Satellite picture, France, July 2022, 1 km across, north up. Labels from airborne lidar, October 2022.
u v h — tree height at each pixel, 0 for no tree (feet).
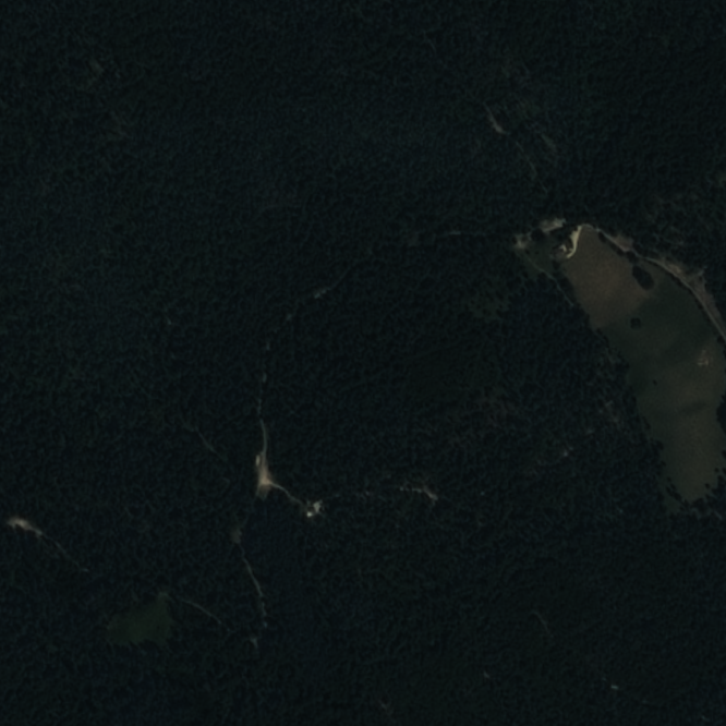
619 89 50
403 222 62
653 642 93
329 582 64
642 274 74
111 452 68
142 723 99
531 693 52
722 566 74
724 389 0
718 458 0
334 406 28
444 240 57
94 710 103
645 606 76
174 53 47
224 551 84
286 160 68
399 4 48
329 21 86
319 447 66
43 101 79
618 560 76
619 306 0
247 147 56
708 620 62
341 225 61
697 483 0
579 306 24
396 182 74
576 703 63
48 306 52
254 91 64
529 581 71
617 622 72
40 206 50
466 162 69
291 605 78
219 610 30
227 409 53
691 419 0
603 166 53
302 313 46
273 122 59
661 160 64
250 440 31
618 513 86
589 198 29
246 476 30
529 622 72
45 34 82
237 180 61
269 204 58
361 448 86
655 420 0
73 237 60
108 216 24
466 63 55
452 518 40
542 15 50
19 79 89
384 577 50
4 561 89
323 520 44
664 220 44
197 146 62
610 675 77
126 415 85
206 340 76
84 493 77
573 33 37
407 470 63
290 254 70
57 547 61
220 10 66
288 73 55
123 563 32
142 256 58
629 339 0
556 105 31
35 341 74
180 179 73
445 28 70
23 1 72
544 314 45
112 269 25
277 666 65
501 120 74
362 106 72
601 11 51
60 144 63
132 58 53
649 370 0
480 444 39
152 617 0
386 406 42
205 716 59
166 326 67
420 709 53
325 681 40
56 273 27
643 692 64
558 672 73
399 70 42
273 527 71
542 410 71
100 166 69
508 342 34
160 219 72
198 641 81
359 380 50
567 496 65
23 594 52
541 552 57
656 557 67
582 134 52
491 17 72
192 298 55
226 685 37
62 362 65
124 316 43
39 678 70
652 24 61
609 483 72
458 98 54
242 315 74
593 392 65
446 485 73
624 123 51
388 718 63
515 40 44
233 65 51
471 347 37
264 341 60
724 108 65
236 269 58
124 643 0
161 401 73
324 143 74
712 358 0
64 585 40
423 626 78
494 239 56
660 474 62
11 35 69
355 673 59
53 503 38
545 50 51
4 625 84
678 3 60
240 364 30
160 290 50
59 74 84
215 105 54
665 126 72
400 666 62
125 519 64
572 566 82
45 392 43
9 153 68
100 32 48
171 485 86
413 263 41
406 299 68
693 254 37
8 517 52
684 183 77
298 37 87
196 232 52
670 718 65
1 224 43
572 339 82
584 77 47
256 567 44
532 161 33
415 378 26
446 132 67
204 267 64
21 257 72
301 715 51
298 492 33
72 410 88
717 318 0
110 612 79
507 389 69
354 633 53
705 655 83
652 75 43
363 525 58
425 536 38
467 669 64
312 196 66
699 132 72
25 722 46
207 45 76
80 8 69
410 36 31
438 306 39
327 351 94
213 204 66
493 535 58
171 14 58
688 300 0
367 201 71
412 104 56
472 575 68
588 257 0
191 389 51
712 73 72
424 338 64
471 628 63
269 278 56
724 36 65
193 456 77
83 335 56
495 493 60
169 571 72
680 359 0
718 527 60
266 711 67
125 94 48
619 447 74
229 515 83
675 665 78
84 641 78
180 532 76
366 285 40
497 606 72
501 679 74
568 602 71
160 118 41
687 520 37
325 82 67
